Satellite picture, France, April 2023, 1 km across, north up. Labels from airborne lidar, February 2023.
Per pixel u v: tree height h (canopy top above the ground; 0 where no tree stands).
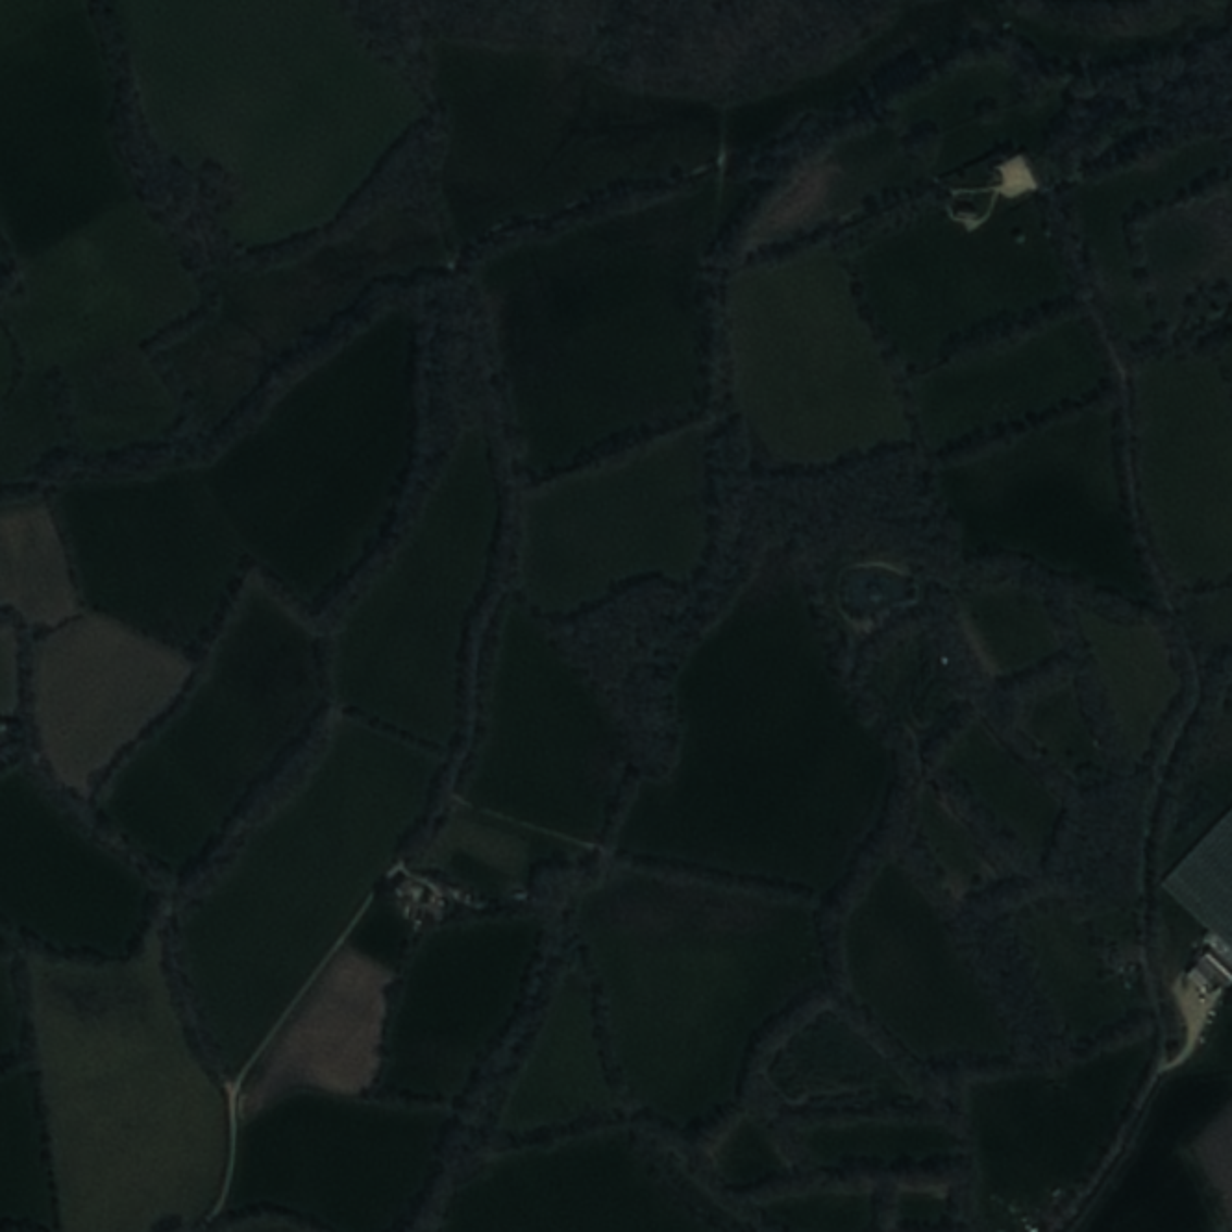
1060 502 0
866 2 19
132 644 0
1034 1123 0
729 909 0
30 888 0
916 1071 10
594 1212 0
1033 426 11
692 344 0
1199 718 6
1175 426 0
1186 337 8
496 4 14
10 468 0
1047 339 0
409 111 0
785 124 0
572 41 19
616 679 12
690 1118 0
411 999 0
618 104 0
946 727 9
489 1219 0
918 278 0
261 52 0
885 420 0
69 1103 0
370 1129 0
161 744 0
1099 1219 0
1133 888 13
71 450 7
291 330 0
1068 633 9
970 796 10
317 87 0
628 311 0
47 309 0
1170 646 10
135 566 0
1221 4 0
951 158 0
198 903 8
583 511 0
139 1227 0
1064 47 0
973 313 0
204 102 0
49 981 0
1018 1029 13
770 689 0
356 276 0
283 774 17
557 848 0
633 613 16
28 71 0
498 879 0
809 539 16
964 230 0
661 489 0
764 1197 8
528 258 0
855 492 15
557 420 0
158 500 0
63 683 0
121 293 0
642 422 0
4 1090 0
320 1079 0
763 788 0
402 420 0
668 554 0
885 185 0
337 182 0
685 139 0
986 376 0
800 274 0
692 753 0
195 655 15
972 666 15
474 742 7
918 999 0
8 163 0
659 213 0
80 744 0
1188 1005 0
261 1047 0
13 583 0
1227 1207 0
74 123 0
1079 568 0
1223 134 11
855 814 0
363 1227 0
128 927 0
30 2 0
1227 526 0
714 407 24
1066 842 11
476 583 0
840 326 0
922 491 14
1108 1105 0
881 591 16
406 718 0
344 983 0
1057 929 0
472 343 9
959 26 0
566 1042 0
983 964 15
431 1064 0
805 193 0
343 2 7
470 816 0
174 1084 0
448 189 0
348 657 0
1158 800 13
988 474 0
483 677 9
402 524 10
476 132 0
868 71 0
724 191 0
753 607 0
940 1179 17
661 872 11
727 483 10
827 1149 0
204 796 0
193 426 9
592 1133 12
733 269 10
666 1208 0
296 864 0
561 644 17
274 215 0
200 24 0
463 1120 14
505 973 0
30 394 0
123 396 0
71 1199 0
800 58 19
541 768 0
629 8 12
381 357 0
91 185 0
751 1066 12
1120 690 0
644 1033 0
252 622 0
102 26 8
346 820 0
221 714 0
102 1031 0
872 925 0
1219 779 0
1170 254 0
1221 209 0
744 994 0
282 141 0
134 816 0
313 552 0
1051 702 0
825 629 16
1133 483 9
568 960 10
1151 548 10
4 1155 0
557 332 0
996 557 14
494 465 9
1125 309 0
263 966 0
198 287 8
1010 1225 0
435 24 20
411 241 0
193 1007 11
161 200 17
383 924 0
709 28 17
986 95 0
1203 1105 0
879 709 6
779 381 0
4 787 0
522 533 9
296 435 0
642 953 0
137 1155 0
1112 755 7
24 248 0
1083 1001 0
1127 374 12
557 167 0
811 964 0
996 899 14
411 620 0
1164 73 17
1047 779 12
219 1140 0
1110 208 0
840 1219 0
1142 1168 0
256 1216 10
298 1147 0
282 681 0
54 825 0
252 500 0
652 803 0
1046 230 7
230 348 0
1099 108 18
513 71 0
